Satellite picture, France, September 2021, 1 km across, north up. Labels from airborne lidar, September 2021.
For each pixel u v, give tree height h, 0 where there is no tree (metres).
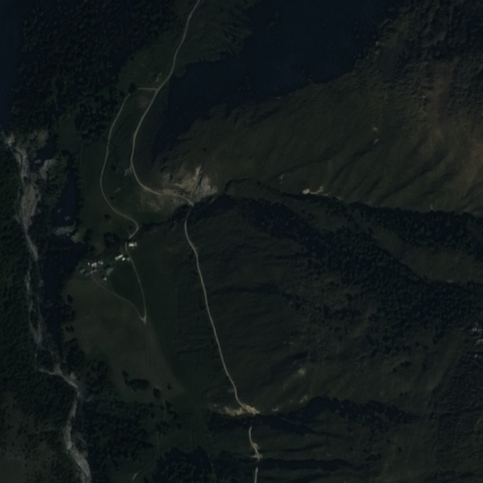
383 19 0
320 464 0
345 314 9
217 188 0
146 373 0
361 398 0
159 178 0
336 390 0
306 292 0
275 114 0
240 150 0
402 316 7
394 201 0
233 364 0
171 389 8
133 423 13
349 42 0
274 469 0
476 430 0
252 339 0
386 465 0
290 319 0
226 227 0
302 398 0
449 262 0
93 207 0
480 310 8
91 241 10
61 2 16
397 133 0
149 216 0
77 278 0
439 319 7
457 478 0
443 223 12
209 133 0
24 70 17
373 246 11
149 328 0
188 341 0
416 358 0
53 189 8
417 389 0
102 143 0
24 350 11
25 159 0
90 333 0
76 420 8
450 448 0
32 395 12
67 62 15
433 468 0
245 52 0
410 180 0
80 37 17
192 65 0
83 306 0
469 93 0
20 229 9
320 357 0
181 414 0
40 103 26
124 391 0
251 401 0
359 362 0
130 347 0
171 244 0
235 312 0
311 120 0
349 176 0
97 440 13
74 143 0
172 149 0
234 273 0
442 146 0
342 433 0
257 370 0
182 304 0
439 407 0
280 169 0
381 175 0
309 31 0
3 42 0
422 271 0
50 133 18
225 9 0
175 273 0
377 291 10
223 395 0
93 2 15
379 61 0
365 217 11
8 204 7
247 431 0
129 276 0
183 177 0
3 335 10
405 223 12
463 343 0
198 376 0
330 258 9
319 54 0
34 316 8
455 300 12
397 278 11
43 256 18
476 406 0
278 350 0
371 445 0
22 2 16
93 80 15
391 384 0
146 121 0
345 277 8
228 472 8
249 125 0
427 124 0
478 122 0
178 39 0
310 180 0
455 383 0
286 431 0
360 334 0
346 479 0
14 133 8
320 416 0
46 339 7
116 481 0
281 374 0
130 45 12
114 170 10
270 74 0
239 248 0
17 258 6
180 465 17
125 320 0
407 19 0
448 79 0
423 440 0
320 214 0
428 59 0
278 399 0
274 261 0
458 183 0
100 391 13
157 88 0
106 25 31
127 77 0
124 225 0
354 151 0
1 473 0
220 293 0
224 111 0
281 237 0
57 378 9
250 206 0
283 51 0
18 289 15
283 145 0
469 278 0
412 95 0
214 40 0
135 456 11
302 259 0
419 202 0
